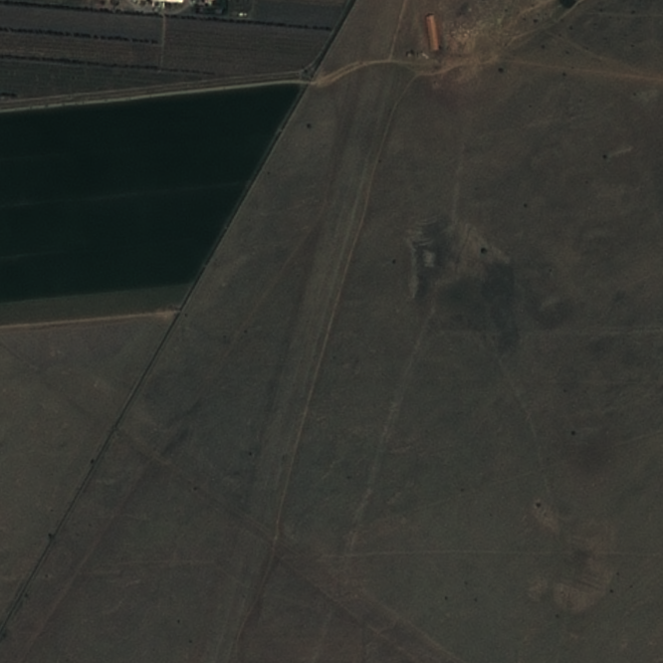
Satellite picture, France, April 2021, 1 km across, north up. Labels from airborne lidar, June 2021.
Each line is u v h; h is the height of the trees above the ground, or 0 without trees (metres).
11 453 0
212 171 0
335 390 0
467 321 0
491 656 0
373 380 0
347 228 0
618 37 0
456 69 0
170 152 0
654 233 0
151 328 0
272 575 0
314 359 0
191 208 0
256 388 0
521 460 0
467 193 0
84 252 0
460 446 0
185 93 0
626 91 0
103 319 0
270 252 0
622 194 0
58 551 0
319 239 0
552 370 0
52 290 0
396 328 0
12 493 0
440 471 0
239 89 0
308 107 0
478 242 0
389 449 0
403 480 0
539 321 0
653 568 0
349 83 0
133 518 0
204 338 0
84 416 0
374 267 0
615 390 0
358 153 0
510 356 0
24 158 0
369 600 0
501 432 0
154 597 0
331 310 0
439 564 0
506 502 0
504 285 0
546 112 0
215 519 0
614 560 0
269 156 0
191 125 0
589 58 0
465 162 0
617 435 0
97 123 0
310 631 0
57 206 0
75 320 0
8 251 0
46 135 0
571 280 0
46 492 0
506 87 0
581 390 0
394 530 0
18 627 0
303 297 0
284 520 0
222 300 0
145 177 0
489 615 0
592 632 0
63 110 0
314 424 0
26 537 0
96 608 0
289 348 0
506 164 0
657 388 0
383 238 0
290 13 0
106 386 0
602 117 0
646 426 0
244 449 0
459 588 0
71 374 0
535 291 0
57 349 0
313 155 0
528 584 0
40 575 0
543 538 0
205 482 0
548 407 0
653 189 0
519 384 0
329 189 0
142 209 0
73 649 0
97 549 0
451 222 0
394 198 0
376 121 0
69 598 0
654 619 0
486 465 0
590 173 0
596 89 0
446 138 0
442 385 0
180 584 0
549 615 0
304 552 0
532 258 0
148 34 0
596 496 0
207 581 0
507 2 0
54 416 0
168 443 0
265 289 0
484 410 0
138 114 0
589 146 0
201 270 0
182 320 0
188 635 0
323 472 0
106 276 0
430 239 0
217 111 0
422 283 0
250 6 0
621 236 0
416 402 0
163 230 0
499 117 0
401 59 0
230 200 0
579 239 0
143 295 0
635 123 0
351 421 0
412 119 0
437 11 0
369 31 0
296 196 0
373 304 0
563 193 0
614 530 0
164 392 0
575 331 0
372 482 0
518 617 0
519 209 0
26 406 0
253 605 0
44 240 0
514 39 0
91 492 0
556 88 0
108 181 0
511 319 0
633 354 0
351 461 0
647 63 0
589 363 0
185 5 0
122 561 0
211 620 0
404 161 0
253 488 0
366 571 0
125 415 0
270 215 0
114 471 0
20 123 0
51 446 0
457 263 0
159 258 0
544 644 0
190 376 0
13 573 0
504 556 0
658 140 0
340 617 0
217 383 0
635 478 0
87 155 0
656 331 0
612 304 0
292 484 0
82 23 0
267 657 0
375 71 0
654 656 0
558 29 0
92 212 0
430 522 0
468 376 0
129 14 8
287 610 0
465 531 0
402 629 0
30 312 0
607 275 0
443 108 0
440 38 0
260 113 0
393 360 0
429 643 0
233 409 0
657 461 0
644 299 0
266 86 0
